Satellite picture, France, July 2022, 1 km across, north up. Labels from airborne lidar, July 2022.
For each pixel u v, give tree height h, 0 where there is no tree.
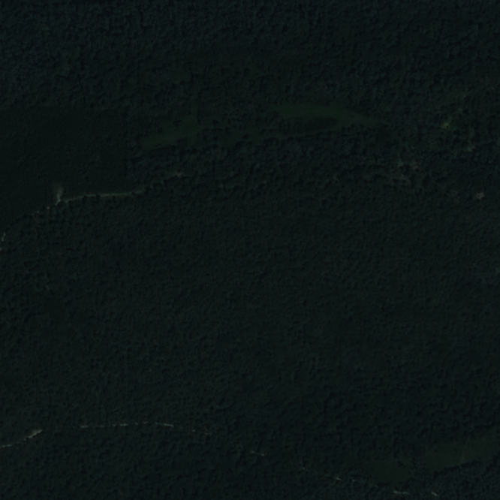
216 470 27
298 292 17
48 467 23
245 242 15
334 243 15
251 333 18
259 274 11
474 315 18
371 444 19
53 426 17
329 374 18
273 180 15
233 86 17
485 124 14
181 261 19
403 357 21
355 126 8
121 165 8
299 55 23
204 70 7
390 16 25
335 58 8
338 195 18
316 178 21
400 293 18
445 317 20
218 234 19
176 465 23
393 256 18
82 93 28
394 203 15
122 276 24
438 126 30
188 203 20
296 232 18
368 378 23
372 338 24
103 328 16
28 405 16
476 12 21
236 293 19
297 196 17
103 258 20
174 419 13
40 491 21
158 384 13
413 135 18
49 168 12
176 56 19
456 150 27
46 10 31
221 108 8
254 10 31
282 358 15
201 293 19
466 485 15
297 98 14
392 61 7
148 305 14
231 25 11
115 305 8
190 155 23
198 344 12
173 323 8
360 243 18
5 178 11
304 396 18
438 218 11
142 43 26
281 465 22
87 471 23
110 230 16
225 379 20
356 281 16
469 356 25
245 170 17
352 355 20
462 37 23
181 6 25
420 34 17
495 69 25
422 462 24
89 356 18
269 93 14
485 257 13
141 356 17
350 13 26
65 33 30
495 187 25
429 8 21
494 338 15
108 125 10
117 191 11
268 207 17
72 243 20
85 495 23
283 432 24
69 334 31
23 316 21
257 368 16
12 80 24
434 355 20
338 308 17
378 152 29
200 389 7
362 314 22
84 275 23
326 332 19
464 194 18
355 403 20
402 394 25
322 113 0
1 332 26
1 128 10
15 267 17
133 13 25
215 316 14
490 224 11
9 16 34
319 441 24
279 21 23
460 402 22
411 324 17
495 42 29
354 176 22
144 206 17
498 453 0
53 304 26
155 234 15
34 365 20
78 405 15
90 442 14
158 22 22
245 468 27
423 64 27
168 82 14
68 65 31
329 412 25
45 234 16
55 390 17
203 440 16
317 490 21
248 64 10
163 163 25
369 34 22
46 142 14
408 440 23
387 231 17
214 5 22
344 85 19
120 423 14
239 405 19
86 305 21
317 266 15
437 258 17
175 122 6
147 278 18
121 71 16
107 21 24
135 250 17
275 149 24
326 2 27
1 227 11
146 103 23
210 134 18
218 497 22
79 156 14
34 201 11
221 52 20
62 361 22
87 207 21
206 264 16
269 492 19
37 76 25
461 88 19
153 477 23
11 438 14
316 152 20
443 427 19
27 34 32
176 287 18
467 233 18
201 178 17
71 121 12
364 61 14
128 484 19
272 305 18
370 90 13
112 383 18
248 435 24
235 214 15
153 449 18
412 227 16
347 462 26
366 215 19
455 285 12
